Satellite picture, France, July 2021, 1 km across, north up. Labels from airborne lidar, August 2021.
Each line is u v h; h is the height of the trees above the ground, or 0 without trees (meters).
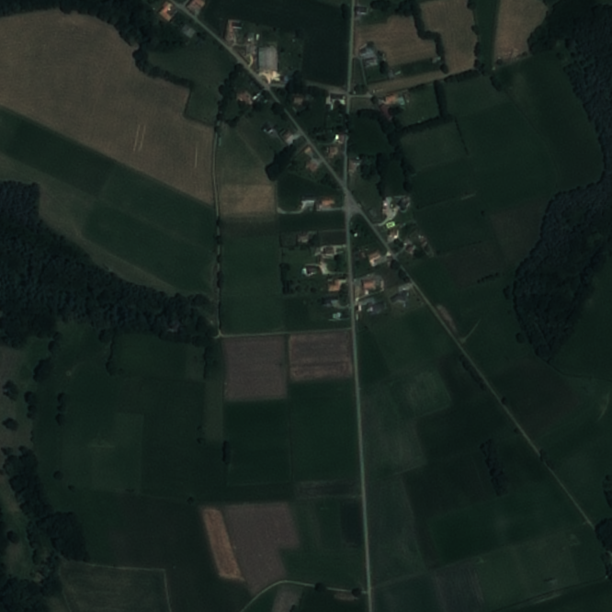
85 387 0
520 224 0
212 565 0
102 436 0
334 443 0
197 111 0
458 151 0
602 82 18
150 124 0
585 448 0
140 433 0
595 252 7
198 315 15
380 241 0
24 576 0
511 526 0
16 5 22
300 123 0
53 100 0
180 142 0
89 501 0
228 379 0
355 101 0
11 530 0
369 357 0
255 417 0
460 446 0
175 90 0
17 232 8
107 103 0
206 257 0
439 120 18
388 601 0
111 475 0
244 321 0
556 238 21
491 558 0
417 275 0
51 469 0
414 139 0
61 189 0
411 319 0
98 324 23
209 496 0
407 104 0
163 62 0
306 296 0
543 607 0
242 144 0
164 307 26
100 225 0
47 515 17
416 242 0
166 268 0
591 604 0
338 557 0
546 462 8
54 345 18
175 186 0
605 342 0
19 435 0
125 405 0
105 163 0
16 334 22
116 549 0
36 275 24
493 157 0
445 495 0
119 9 28
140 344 0
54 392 0
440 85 16
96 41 0
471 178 0
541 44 8
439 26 0
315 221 0
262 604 0
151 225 0
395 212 0
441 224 0
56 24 0
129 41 19
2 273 23
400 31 0
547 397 0
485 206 0
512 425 0
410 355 0
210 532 0
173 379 0
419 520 0
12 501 0
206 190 0
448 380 0
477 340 0
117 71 0
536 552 0
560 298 19
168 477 0
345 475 0
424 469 0
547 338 13
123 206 0
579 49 14
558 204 15
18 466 17
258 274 0
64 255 10
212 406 0
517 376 0
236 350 0
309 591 0
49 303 30
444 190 0
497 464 17
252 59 0
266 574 0
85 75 0
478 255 0
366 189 0
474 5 16
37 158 0
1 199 15
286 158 22
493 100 0
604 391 0
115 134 0
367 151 0
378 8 15
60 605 0
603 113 14
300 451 0
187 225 0
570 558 0
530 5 0
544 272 21
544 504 0
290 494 0
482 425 0
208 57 0
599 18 20
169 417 0
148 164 0
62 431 0
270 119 0
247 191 0
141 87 0
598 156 0
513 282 0
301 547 0
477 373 8
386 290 0
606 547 18
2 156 0
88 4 26
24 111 0
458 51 0
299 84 14
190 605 0
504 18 0
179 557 0
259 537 0
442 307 0
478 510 0
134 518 0
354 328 0
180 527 0
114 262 0
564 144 0
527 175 0
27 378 0
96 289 23
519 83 0
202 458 0
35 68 0
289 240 0
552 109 0
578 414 0
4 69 0
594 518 0
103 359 0
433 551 0
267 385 0
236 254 0
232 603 0
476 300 0
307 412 0
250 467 0
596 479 0
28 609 22
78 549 24
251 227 0
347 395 0
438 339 0
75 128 0
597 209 16
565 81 0
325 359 0
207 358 10
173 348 0
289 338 0
